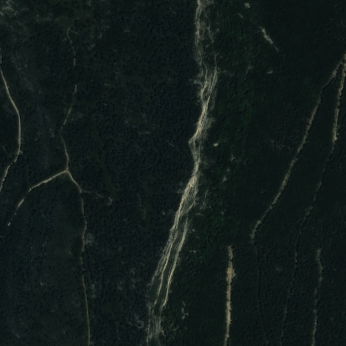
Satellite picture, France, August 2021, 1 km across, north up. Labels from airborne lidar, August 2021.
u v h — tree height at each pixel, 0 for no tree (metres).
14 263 11
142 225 7
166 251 7
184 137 13
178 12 10
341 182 18
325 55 18
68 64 12
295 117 21
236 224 18
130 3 10
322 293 16
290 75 24
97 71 8
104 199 11
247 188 21
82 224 7
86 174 12
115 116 11
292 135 20
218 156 31
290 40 19
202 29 9
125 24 10
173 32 8
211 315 15
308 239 23
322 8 20
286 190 18
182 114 11
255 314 21
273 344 19
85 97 9
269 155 18
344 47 22
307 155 19
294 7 21
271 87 22
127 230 9
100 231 11
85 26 10
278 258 21
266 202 15
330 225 18
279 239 19
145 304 5
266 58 17
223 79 14
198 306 17
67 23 0
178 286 22
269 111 18
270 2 22
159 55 6
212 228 27
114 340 7
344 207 17
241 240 19
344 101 18
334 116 21
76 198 14
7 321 12
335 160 19
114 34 9
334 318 23
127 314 6
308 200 14
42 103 6
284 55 23
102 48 10
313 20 21
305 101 21
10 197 6
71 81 8
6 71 9
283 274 17
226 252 22
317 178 18
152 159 12
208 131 10
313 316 23
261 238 23
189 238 12
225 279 23
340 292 17
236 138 20
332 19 19
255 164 20
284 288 19
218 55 13
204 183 8
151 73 14
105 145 6
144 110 10
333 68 20
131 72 12
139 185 7
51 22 6
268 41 8
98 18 9
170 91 15
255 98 22
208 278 19
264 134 17
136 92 11
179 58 13
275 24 20
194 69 7
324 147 17
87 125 11
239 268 20
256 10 21
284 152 17
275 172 17
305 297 19
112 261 8
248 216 22
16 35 6
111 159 8
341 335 14
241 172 21
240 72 26
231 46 19
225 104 24
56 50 14
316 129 20
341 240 20
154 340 12
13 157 10
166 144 6
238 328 19
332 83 19
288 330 24
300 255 21
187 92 12
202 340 17
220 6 13
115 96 12
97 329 6
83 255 13
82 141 7
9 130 14
